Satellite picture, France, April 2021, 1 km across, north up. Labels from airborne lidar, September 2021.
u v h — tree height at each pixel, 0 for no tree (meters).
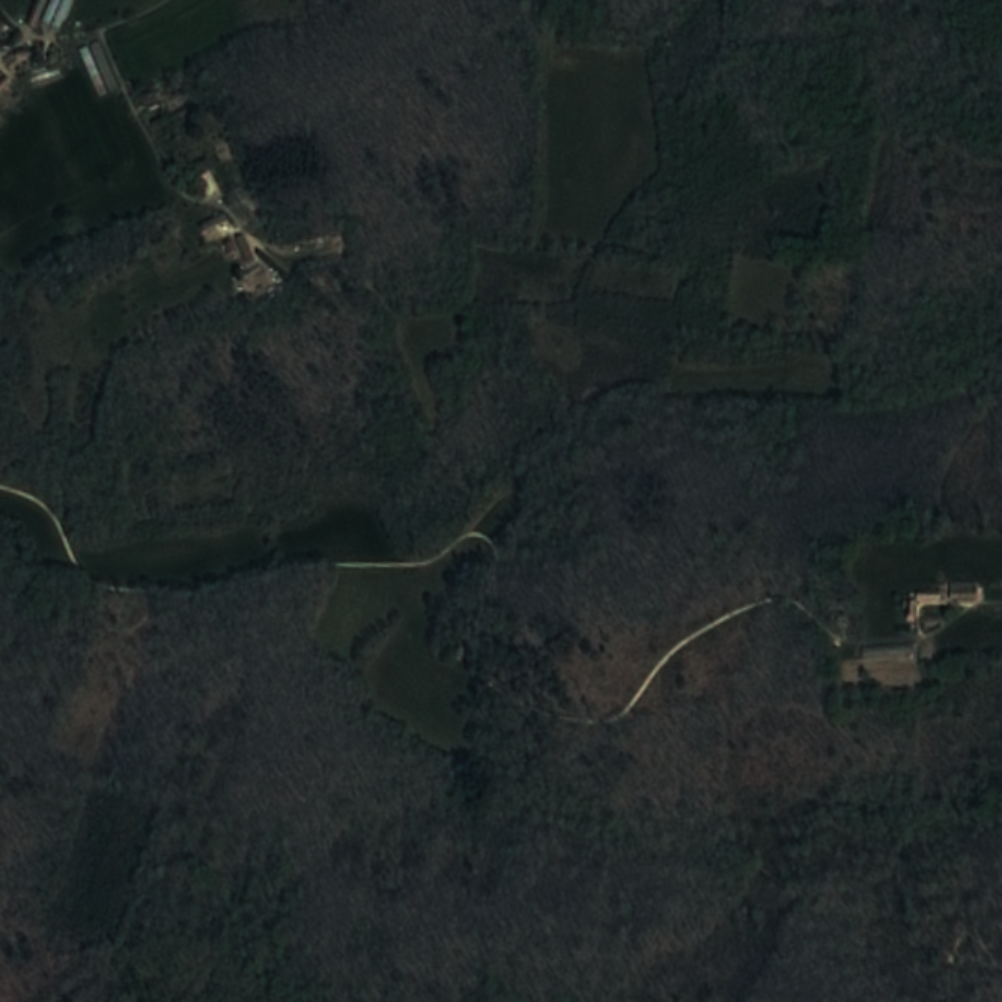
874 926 6
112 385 16
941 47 18
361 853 10
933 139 21
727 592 17
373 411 14
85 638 21
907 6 22
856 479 15
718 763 20
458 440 21
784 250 19
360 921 16
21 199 0
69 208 0
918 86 20
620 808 24
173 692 19
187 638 19
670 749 18
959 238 20
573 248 18
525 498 26
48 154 0
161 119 7
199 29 0
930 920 24
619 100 0
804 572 14
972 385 22
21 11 0
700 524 19
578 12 24
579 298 8
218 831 22
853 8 16
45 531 0
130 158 0
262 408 20
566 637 15
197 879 24
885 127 19
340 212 17
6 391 14
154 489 15
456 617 17
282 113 16
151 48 0
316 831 23
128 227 14
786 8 20
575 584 19
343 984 18
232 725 9
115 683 20
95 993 8
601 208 0
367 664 16
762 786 7
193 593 17
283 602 19
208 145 0
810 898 20
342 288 19
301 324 18
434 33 20
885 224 8
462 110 16
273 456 11
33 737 18
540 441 13
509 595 17
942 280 18
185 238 0
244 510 12
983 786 26
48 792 18
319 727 17
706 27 14
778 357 18
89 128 0
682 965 7
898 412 16
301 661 19
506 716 22
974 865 21
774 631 17
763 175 10
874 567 0
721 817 21
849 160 15
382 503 17
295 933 19
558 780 17
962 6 18
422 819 18
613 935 14
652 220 13
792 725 8
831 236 20
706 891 21
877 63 18
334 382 15
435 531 22
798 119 16
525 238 20
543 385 21
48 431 11
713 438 19
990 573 0
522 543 19
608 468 19
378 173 19
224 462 19
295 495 13
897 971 12
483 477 27
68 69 0
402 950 19
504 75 22
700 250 8
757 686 18
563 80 0
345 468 9
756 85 18
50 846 18
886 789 17
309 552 0
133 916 16
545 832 16
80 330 0
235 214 20
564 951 16
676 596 15
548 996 20
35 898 10
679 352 20
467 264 22
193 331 17
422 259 19
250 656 14
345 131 15
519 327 8
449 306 18
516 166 19
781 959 18
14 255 0
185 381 17
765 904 9
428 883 24
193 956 22
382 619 0
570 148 0
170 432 18
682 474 19
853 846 9
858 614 23
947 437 14
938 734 12
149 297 0
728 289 14
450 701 0
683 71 10
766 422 23
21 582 29
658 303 8
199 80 18
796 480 20
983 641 0
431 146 18
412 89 19
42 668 25
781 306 0
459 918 20
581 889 16
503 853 18
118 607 25
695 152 9
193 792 7
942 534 18
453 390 20
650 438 18
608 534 16
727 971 11
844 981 17
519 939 25
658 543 18
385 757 20
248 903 13
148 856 17
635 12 23
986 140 21
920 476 16
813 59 23
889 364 20
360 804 23
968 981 10
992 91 19
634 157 0
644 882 20
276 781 19
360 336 14
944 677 21
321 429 8
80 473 18
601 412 22
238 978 12
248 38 14
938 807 24
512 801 21
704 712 20
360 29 21
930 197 7
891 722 14
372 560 0
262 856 20
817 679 16
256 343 16
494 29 21
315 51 20
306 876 18
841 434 15
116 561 0
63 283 15
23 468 11
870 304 20
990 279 20
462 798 23
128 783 16
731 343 13
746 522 15
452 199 25
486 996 21
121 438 18
